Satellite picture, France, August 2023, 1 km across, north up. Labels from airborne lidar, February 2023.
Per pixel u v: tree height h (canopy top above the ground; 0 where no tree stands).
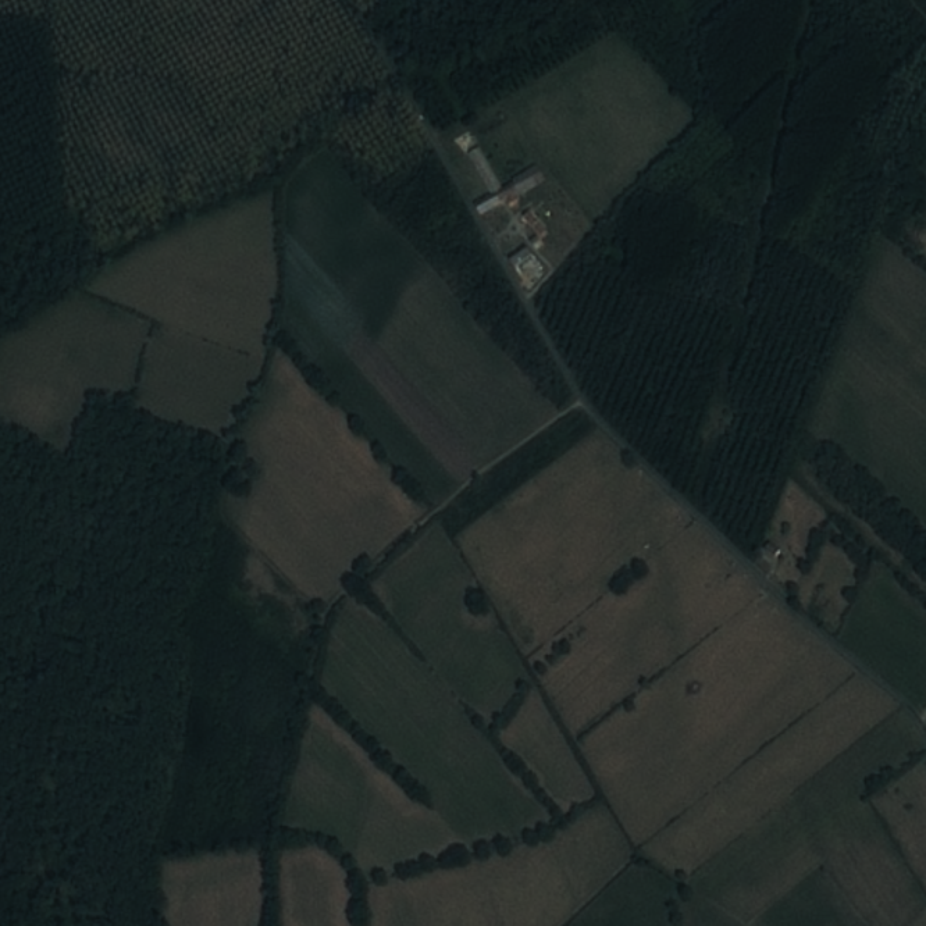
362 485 0
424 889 0
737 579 0
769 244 11
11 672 16
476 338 0
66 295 22
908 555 14
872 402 0
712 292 14
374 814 0
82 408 0
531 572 0
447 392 0
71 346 0
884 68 7
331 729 0
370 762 0
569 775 0
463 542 0
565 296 13
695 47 10
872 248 11
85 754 16
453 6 27
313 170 0
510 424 0
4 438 21
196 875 0
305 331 0
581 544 0
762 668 0
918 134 17
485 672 0
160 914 15
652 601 0
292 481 0
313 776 0
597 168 0
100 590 19
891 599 0
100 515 17
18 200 30
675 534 0
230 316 0
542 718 0
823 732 0
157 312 0
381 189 11
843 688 0
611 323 12
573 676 0
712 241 7
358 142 30
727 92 20
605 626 0
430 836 0
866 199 9
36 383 0
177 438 19
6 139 34
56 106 33
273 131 31
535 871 0
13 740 18
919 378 0
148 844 27
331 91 31
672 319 10
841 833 0
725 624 0
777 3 18
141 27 30
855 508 15
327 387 19
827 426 0
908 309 0
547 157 0
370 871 0
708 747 0
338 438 0
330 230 0
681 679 0
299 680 12
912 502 0
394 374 0
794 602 13
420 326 0
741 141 17
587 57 0
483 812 0
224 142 30
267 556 0
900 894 0
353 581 18
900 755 0
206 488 17
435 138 0
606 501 0
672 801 0
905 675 0
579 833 0
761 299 12
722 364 14
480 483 13
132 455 18
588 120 0
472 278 7
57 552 19
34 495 19
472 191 0
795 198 14
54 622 24
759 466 11
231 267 0
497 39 27
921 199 8
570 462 0
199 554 21
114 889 28
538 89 0
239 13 28
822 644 0
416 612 0
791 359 10
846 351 0
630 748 0
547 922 0
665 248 17
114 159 32
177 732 24
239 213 0
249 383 0
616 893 0
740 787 0
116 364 0
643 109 0
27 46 35
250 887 0
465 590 0
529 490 0
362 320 0
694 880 0
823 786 0
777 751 0
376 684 0
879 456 0
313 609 9
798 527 0
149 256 0
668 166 17
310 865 0
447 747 0
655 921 0
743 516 12
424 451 0
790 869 0
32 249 7
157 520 21
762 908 0
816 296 13
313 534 0
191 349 0
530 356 10
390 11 22
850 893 0
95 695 25
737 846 0
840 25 11
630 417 11
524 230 0
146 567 23
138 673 24
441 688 0
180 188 30
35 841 22
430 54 29
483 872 0
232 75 29
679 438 12
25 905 10
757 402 12
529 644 0
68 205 22
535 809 0
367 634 0
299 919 0
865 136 15
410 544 7
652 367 7
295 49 31
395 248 0
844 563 0
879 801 0
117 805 23
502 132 0
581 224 0
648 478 0
